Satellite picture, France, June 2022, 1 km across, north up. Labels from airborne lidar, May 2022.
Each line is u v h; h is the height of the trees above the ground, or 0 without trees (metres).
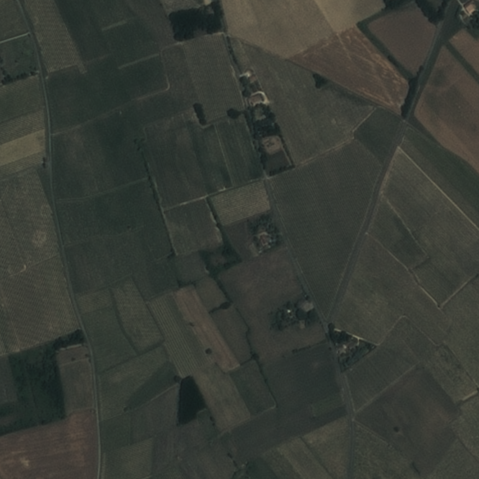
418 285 0
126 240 0
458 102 0
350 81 0
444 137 0
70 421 0
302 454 0
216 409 0
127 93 0
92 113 0
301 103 0
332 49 0
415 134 0
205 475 0
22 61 0
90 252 0
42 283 0
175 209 0
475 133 0
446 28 0
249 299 0
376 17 0
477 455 0
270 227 8
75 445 0
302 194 0
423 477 0
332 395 0
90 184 0
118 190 0
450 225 0
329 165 0
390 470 0
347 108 0
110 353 0
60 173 0
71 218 0
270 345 0
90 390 0
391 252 0
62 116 0
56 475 0
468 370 0
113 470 0
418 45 0
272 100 0
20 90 0
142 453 0
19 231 0
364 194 0
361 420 0
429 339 0
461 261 0
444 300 0
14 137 0
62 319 0
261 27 0
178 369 0
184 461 0
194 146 0
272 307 0
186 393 17
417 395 0
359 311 0
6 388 0
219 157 0
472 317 0
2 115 0
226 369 0
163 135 0
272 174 11
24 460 0
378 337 0
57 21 0
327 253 0
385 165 0
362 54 0
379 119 0
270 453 0
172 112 0
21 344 0
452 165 0
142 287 0
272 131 7
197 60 0
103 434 0
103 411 0
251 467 8
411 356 0
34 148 0
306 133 0
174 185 0
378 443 0
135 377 0
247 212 0
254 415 0
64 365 0
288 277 0
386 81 0
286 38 0
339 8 0
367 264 0
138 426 0
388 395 0
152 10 0
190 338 0
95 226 0
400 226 0
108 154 0
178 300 0
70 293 0
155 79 0
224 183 0
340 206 0
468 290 0
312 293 0
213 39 0
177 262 0
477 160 0
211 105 0
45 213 0
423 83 0
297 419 0
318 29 0
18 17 0
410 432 0
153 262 0
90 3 0
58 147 0
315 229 0
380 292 0
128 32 0
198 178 0
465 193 0
